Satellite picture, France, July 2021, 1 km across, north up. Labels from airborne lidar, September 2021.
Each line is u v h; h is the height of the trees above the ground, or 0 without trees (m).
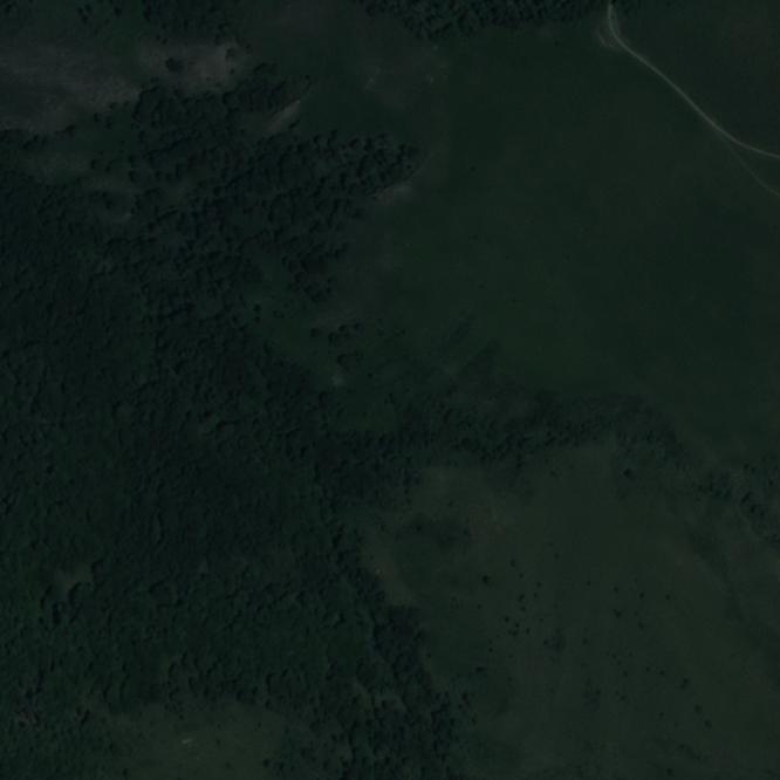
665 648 0
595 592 0
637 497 0
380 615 18
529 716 0
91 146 0
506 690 0
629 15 8
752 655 0
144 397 19
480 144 0
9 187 18
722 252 0
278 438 16
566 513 0
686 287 0
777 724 0
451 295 0
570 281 0
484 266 0
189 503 9
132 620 20
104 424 18
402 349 0
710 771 0
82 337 20
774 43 0
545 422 12
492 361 0
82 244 14
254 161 14
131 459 9
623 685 0
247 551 10
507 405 0
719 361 0
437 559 0
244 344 15
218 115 17
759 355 0
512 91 0
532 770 0
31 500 32
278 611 21
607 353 0
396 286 0
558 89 0
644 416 0
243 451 16
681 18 0
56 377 26
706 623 0
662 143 0
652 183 0
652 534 0
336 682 20
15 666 30
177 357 19
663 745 0
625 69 0
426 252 0
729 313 0
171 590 25
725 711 0
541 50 0
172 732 0
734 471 0
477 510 0
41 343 13
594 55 0
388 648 17
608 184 0
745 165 0
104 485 31
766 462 9
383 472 18
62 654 27
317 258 9
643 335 0
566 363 0
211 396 15
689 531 0
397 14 7
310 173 17
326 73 0
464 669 0
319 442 16
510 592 0
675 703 0
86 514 31
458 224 0
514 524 0
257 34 0
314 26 0
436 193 0
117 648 20
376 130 0
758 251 0
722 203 0
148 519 13
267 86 10
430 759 7
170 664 12
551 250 0
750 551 0
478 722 7
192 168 10
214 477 16
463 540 0
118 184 0
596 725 0
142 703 7
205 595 24
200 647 19
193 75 0
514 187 0
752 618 0
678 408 0
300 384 18
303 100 0
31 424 29
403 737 10
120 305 19
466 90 0
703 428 0
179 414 26
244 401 24
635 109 0
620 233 0
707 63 0
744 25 0
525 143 0
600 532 0
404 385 0
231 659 21
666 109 0
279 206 15
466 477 0
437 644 0
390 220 0
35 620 15
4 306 25
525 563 0
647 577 0
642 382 0
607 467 0
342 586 18
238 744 0
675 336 0
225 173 8
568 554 0
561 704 0
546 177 0
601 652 0
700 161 0
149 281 18
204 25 6
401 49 0
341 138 14
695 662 0
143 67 0
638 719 0
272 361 10
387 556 0
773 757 0
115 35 0
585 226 0
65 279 18
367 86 0
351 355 8
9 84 0
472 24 19
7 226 21
